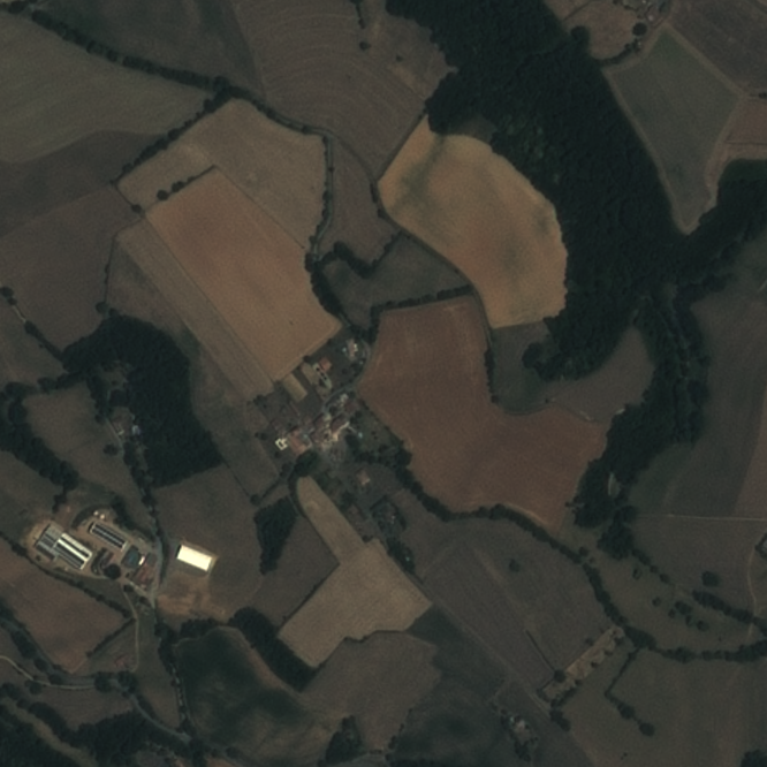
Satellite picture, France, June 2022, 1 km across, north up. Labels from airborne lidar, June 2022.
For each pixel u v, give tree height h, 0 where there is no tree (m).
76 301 0
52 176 0
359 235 0
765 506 0
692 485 0
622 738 0
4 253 0
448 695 0
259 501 9
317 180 0
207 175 0
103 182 0
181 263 0
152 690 0
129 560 0
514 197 0
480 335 0
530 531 10
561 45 7
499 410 0
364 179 0
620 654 0
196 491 0
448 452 0
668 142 0
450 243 0
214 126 0
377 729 0
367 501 0
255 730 0
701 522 0
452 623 0
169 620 0
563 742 0
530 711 0
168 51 0
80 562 0
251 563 0
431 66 0
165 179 0
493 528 0
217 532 0
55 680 12
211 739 0
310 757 0
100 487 0
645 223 19
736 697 0
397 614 0
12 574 0
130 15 0
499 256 0
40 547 0
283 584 0
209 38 0
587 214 25
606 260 29
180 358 18
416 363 0
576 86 11
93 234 0
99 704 0
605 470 10
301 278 0
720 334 0
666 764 0
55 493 0
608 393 0
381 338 0
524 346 0
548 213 0
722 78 0
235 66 0
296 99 0
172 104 0
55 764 25
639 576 12
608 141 18
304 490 0
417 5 24
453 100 22
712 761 0
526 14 20
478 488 0
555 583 0
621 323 9
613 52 0
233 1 0
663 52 0
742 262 0
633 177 25
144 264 0
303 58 0
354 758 13
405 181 0
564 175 16
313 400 0
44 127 0
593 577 10
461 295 11
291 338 0
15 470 0
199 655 0
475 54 19
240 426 0
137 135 0
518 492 0
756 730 0
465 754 0
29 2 8
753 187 15
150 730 13
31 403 0
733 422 0
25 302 0
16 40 0
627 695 0
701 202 0
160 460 7
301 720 0
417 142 0
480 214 0
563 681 11
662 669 0
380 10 0
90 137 0
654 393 12
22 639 15
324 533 0
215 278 0
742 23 0
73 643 0
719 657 9
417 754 0
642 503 0
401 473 13
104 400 11
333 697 0
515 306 0
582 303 24
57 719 15
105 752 17
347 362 0
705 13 0
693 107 0
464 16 22
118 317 9
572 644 0
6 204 0
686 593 0
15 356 0
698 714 0
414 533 0
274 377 0
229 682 0
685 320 26
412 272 0
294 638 0
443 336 0
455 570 0
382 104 0
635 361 0
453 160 0
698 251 12
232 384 0
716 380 0
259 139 0
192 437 10
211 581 0
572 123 21
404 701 0
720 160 0
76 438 0
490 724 0
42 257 0
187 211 0
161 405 15
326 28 0
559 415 0
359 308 0
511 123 18
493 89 19
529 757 7
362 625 0
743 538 0
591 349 19
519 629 0
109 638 10
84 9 0
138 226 0
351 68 0
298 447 0
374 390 0
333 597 0
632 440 24
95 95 0
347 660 0
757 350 0
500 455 0
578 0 0
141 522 0
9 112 0
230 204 0
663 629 0
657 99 0
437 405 0
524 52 10
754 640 0
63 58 0
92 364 16
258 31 0
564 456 0
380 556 0
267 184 0
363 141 0
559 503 0
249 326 0
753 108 0
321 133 0
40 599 0
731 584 0
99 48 11
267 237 0
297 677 10
